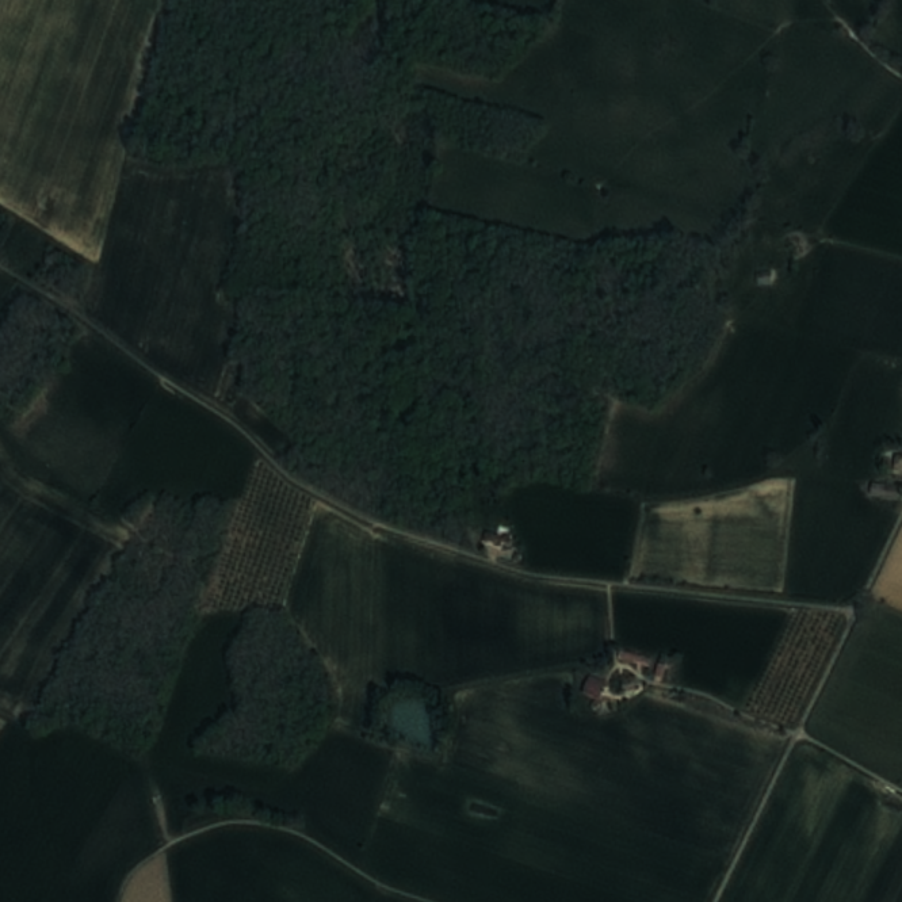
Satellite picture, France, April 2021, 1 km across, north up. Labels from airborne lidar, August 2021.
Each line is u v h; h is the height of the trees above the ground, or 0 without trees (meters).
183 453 0
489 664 0
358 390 26
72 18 0
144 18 0
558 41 0
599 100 0
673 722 0
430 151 8
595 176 0
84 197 0
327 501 0
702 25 0
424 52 26
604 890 0
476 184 0
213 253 0
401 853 0
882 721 0
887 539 0
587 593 0
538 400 22
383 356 16
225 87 20
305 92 25
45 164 0
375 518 10
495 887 0
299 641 14
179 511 10
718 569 0
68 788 0
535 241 14
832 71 0
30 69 0
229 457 0
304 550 0
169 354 0
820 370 0
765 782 0
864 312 0
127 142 23
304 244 13
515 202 0
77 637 16
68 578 0
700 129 0
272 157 19
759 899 0
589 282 16
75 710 21
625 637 0
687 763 0
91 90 0
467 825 0
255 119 22
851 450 0
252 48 20
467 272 19
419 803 0
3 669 0
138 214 0
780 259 0
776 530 0
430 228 25
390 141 9
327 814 0
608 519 0
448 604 0
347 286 8
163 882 0
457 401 26
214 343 0
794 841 0
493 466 22
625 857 0
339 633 0
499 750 0
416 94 15
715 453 0
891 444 15
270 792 0
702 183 0
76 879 0
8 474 0
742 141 10
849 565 0
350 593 0
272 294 20
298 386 22
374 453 23
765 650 0
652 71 0
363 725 0
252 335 15
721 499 0
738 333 0
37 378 16
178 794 0
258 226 15
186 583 18
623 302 16
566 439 25
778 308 0
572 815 0
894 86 0
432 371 25
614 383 23
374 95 21
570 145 0
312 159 19
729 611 0
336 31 19
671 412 0
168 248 0
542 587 0
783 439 0
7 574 0
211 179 0
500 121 16
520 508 0
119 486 0
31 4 0
